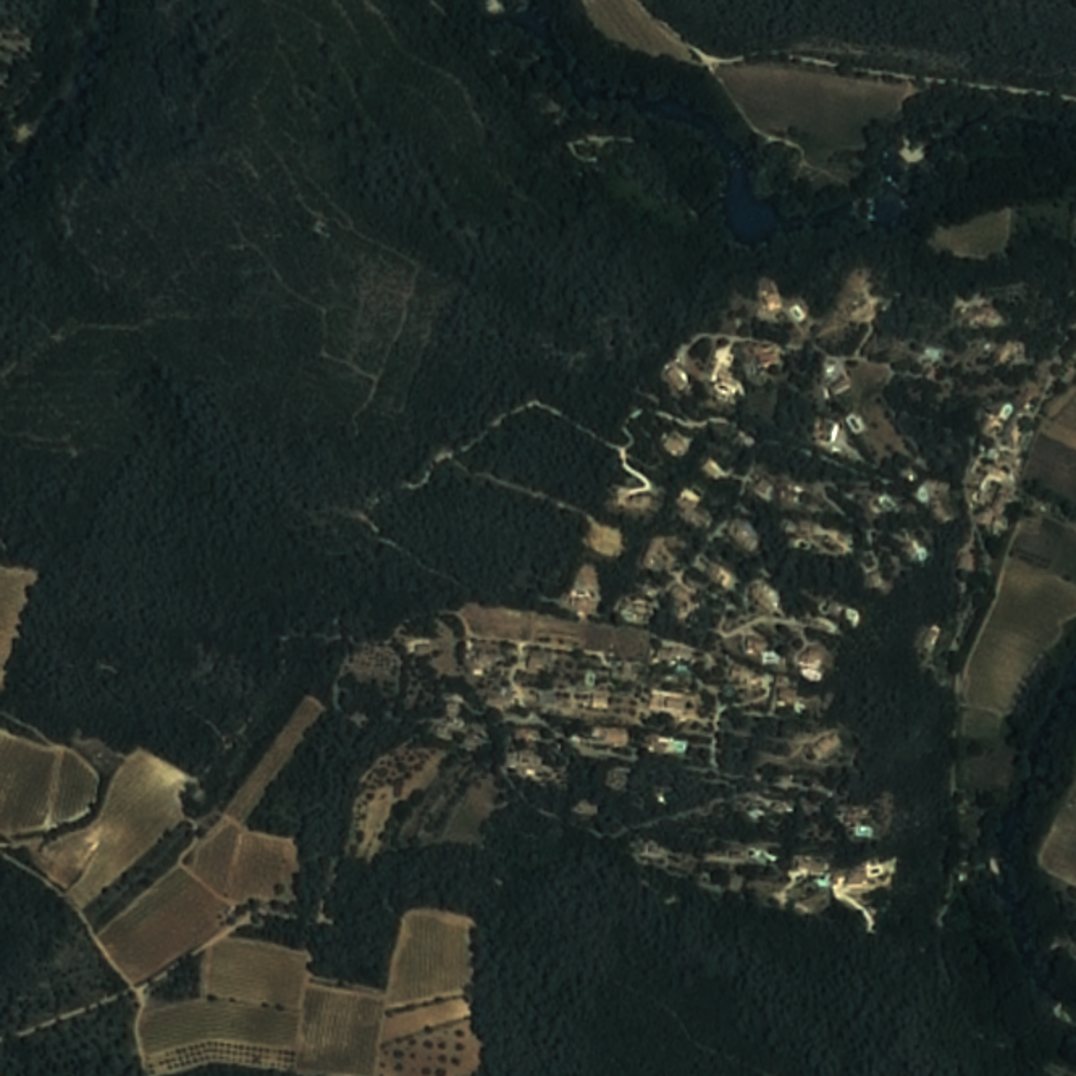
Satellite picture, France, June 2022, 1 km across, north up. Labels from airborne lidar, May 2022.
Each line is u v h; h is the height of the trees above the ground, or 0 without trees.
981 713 0
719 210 19
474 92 8
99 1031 18
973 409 11
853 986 17
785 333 9
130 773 0
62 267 13
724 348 9
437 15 7
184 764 12
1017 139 20
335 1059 0
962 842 21
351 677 8
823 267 10
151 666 15
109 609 16
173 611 18
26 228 11
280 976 0
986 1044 14
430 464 21
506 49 20
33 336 14
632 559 11
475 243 18
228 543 8
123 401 9
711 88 9
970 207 24
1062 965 19
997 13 7
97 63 16
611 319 20
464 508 13
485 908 18
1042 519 0
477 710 9
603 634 0
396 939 8
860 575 6
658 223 11
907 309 13
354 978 10
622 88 19
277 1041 0
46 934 15
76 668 16
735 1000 7
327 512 16
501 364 7
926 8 7
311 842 19
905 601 10
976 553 10
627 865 11
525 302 7
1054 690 27
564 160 15
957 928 23
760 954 6
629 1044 5
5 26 15
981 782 0
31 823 0
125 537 15
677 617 15
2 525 13
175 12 15
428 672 8
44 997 7
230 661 7
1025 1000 24
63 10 17
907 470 16
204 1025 0
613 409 13
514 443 17
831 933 16
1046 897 17
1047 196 8
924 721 12
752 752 14
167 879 0
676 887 10
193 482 9
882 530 15
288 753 0
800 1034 17
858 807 9
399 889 10
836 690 9
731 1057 8
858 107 0
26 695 9
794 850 12
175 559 17
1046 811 14
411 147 21
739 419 14
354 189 6
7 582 0
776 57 12
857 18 18
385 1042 0
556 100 10
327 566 7
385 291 0
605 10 0
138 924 0
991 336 12
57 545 10
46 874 6
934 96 8
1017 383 8
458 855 18
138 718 9
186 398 10
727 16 16
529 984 20
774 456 19
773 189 14
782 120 0
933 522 8
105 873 0
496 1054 15
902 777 10
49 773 0
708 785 7
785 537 7
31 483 10
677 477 6
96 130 19
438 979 0
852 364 9
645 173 12
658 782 19
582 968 19
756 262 14
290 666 8
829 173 0
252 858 0
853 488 9
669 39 0
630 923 11
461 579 14
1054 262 11
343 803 14
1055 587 0
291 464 11
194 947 0
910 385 15
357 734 9
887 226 7
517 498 17
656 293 13
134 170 10
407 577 12
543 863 8
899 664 11
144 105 7
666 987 6
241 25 17
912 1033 22
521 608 11
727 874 14
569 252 7
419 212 7
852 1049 8
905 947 13
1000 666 0
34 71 16
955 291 6
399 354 7
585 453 17
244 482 17
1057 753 29
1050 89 7
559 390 15
